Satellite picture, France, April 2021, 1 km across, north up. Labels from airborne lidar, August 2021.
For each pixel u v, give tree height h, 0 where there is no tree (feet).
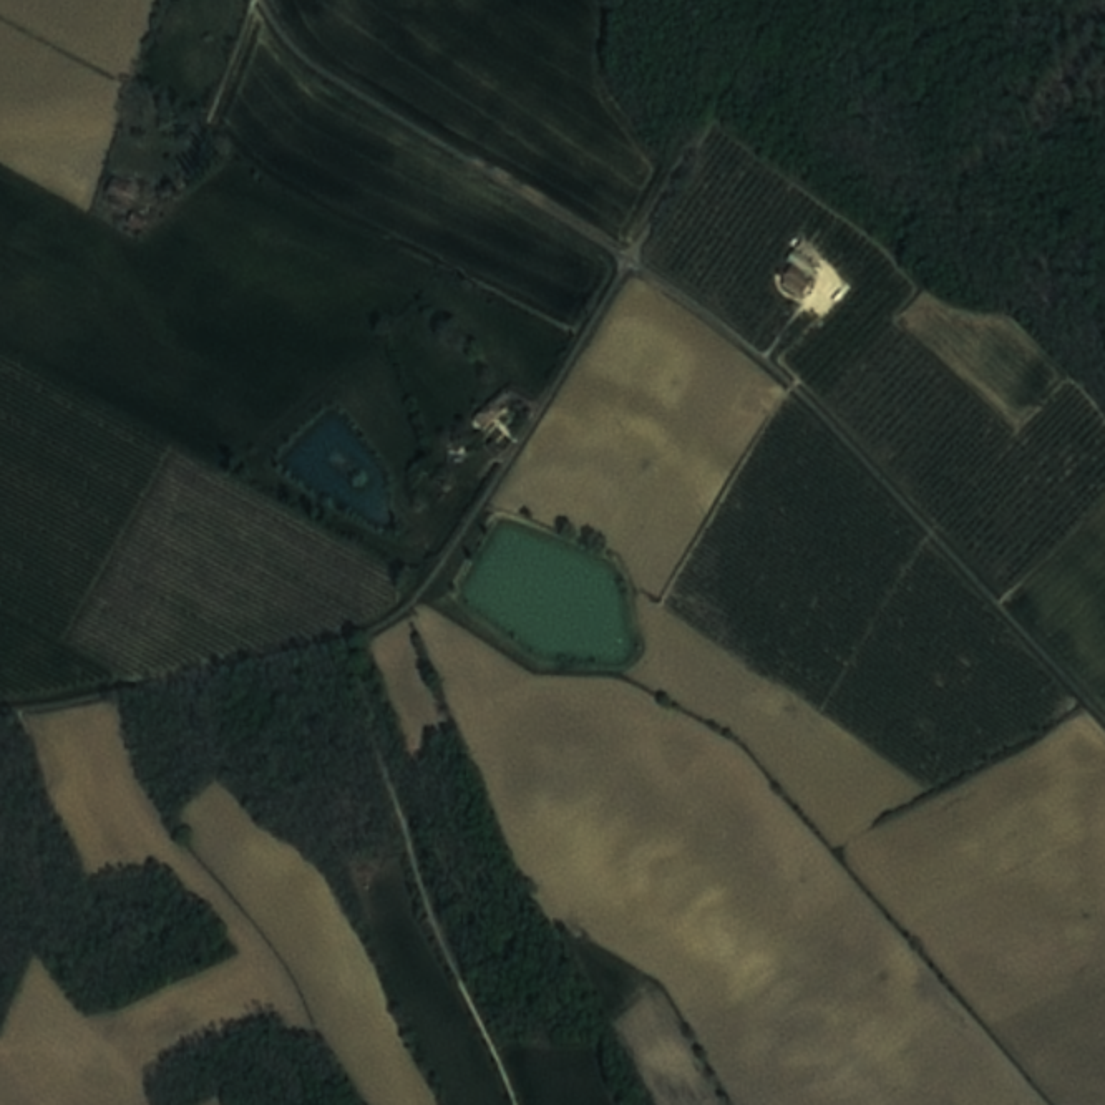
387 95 0
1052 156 61
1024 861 0
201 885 0
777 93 64
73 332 0
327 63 0
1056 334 57
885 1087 0
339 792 56
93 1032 0
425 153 0
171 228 0
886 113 66
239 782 48
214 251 0
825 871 0
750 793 0
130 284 0
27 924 47
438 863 52
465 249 0
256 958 0
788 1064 0
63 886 57
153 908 41
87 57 0
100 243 0
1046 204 52
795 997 0
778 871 0
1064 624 0
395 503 0
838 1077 0
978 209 44
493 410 0
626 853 0
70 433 19
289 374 0
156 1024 0
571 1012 69
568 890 0
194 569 18
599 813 0
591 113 0
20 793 61
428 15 0
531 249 0
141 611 19
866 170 50
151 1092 44
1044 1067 0
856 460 0
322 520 46
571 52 0
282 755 69
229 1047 58
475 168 0
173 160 20
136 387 0
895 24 75
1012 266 54
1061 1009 0
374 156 0
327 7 0
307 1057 76
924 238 55
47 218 0
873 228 46
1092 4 56
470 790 75
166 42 0
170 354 0
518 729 0
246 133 0
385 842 47
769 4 69
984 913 0
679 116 53
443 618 0
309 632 18
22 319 0
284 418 0
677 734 0
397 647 0
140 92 48
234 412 0
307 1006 0
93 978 49
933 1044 0
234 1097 70
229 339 0
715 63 75
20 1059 0
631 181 0
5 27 0
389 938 0
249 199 0
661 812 0
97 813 0
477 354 36
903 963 0
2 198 0
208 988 0
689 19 67
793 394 0
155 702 52
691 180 43
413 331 0
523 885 66
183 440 0
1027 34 66
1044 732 24
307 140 0
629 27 60
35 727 0
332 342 0
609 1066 64
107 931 50
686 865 0
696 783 0
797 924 0
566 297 0
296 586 18
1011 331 0
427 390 0
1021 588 0
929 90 55
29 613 18
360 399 0
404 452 0
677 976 0
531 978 78
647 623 0
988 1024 0
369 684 56
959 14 80
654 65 61
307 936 0
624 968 0
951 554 0
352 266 0
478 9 0
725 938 0
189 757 61
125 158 0
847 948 0
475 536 0
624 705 0
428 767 62
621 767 0
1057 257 54
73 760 0
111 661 18
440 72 0
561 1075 0
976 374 0
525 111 0
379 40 0
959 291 53
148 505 17
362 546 34
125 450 18
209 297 0
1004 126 65
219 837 0
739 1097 0
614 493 0
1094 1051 0
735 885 0
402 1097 0
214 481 20
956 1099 0
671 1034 0
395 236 0
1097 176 66
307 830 56
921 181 49
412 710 0
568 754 0
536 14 0
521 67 0
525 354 0
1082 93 80
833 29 65
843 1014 0
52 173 0
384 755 47
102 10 0
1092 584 0
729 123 70
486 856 74
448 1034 0
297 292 0
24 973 50
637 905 0
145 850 0
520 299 0
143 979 53
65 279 0
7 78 0
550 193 0
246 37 0
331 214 0
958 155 67
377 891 0
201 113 31
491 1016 40
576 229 0
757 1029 0
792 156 54
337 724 56
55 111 0
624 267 0
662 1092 0
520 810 0
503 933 87
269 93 0
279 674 60
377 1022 0
